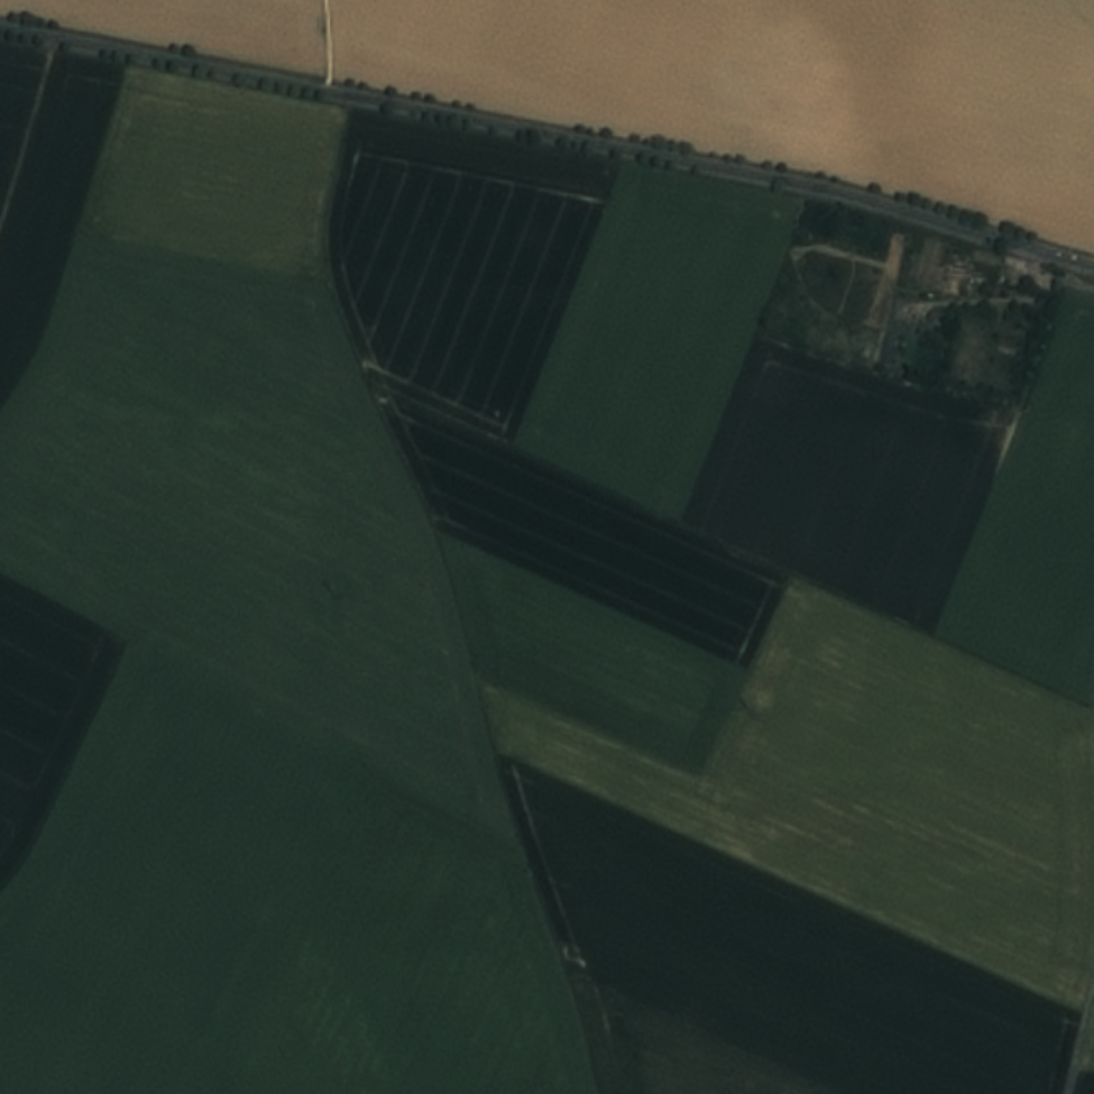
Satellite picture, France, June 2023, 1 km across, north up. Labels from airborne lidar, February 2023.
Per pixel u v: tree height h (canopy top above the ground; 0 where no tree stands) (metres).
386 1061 0
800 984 0
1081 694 0
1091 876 0
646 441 0
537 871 0
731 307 0
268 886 0
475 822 0
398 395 0
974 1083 0
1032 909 0
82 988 0
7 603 0
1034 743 0
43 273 0
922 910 0
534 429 0
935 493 0
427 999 0
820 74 0
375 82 0
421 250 0
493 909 0
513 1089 0
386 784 0
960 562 0
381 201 0
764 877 0
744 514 0
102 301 0
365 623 0
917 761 0
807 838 0
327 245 0
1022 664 0
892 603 0
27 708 0
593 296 0
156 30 0
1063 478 0
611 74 0
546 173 0
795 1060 0
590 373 0
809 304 0
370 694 0
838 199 0
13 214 0
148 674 0
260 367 0
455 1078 0
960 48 0
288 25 0
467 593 0
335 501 0
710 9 0
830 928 0
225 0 0
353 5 0
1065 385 0
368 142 0
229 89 0
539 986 0
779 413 0
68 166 0
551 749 0
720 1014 0
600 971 0
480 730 0
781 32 0
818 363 0
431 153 0
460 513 0
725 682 0
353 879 0
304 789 0
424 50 0
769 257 0
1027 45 0
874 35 0
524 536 0
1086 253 0
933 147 0
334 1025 0
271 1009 0
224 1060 0
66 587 0
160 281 0
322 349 0
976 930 0
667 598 0
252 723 0
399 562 0
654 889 0
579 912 0
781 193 15
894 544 0
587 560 0
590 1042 0
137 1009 0
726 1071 0
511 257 0
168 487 0
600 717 0
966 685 0
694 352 0
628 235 0
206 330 0
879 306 0
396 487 0
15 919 0
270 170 0
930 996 0
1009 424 0
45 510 0
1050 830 0
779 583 0
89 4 0
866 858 0
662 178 0
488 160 0
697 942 0
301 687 0
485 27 0
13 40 15
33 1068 0
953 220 15
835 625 0
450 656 0
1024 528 0
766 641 0
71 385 0
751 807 0
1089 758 0
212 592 0
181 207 0
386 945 0
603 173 0
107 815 0
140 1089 0
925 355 0
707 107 0
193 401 0
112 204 0
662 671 0
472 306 0
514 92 0
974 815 0
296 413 0
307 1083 0
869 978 0
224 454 0
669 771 0
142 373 0
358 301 0
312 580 0
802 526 0
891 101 0
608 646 0
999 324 0
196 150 0
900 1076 0
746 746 0
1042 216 0
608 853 0
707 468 0
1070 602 0
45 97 0
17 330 0
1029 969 0
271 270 0
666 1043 0
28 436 0
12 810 0
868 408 0
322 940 0
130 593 0
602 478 0
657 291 0
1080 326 0
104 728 0
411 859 0
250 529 0
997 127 0
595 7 0
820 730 0
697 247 0
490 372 0
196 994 0
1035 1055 0
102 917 0
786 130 0
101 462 0
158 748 0
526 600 0
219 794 0
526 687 0
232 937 0
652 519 0
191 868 0
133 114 0
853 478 0
